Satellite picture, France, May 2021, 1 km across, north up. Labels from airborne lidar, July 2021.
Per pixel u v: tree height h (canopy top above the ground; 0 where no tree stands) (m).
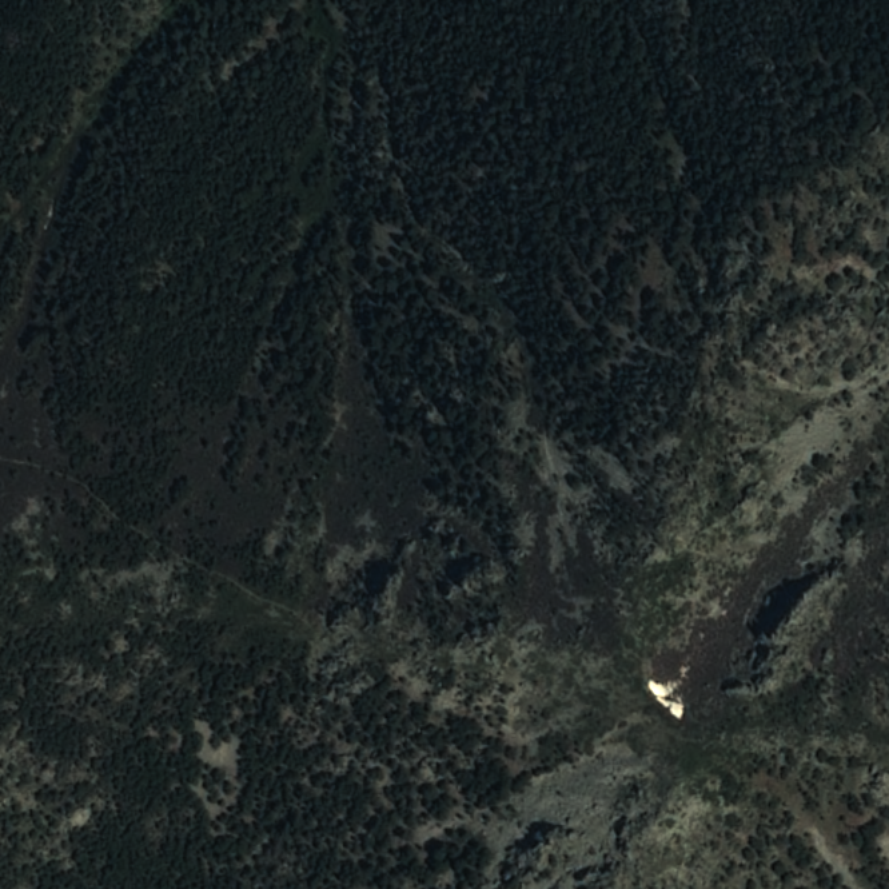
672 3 10
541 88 18
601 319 16
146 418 6
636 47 27
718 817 0
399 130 24
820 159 12
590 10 24
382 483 7
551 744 11
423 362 17
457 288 21
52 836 18
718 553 0
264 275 9
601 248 20
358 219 17
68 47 24
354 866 23
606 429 15
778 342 10
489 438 11
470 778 21
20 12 21
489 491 14
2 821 14
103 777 17
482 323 10
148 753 16
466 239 28
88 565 9
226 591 6
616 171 25
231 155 22
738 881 0
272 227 18
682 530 0
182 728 23
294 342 25
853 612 7
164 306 18
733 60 18
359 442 6
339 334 12
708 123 12
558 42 16
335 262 21
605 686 0
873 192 16
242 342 12
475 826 0
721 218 27
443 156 14
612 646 0
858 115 24
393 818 21
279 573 11
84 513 13
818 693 8
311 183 22
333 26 5
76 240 20
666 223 23
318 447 9
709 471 0
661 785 0
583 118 19
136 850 19
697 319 16
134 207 13
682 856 0
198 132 19
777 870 20
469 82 22
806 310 19
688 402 7
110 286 13
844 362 7
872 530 7
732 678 0
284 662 8
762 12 10
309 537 0
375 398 10
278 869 12
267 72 28
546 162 19
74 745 18
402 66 24
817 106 23
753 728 0
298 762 17
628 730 0
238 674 17
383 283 23
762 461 17
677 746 0
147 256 13
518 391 18
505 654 0
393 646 0
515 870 10
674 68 21
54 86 30
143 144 20
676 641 0
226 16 26
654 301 22
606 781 0
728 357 12
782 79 20
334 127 15
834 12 23
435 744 21
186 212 16
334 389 16
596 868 0
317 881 22
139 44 13
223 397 12
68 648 9
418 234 20
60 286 8
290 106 27
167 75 23
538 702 0
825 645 6
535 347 13
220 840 13
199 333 18
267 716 25
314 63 16
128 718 22
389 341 19
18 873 17
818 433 0
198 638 13
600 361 20
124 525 10
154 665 7
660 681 0
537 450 7
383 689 21
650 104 17
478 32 24
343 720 18
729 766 0
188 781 16
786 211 11
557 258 22
